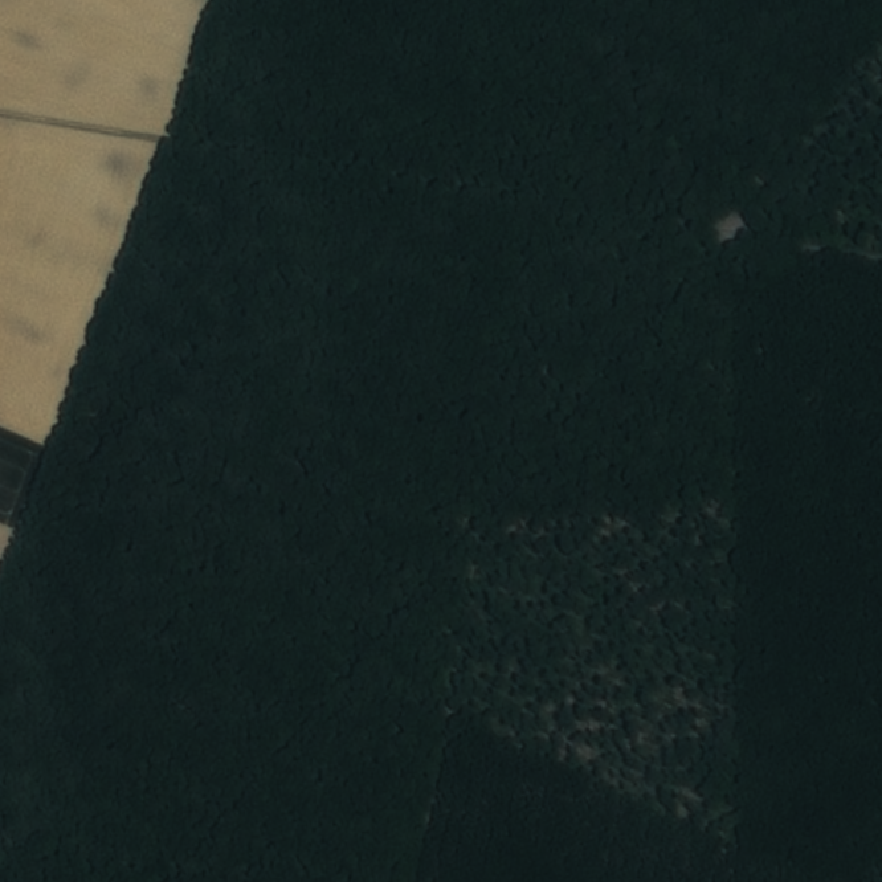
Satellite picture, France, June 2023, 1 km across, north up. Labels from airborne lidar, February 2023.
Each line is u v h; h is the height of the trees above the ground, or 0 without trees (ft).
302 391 106
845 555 64
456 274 93
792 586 64
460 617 99
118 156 0
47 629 99
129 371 104
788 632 62
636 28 104
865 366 70
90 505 98
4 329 0
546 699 107
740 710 76
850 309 62
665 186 98
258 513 104
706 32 96
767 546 70
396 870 86
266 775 93
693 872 58
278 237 99
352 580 88
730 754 102
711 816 100
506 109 97
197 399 103
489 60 98
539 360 101
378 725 98
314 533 109
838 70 99
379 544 102
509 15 101
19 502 0
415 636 103
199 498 108
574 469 100
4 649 90
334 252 102
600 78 101
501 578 106
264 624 105
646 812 57
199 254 103
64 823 93
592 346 100
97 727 102
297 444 109
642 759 102
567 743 93
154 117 0
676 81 102
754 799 70
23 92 0
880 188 101
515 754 61
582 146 104
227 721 95
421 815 86
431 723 85
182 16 0
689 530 104
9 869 96
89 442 105
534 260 104
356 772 100
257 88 102
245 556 105
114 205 0
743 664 44
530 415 94
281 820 87
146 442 113
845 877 66
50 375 0
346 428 107
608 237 108
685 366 97
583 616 105
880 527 64
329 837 99
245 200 103
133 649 104
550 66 96
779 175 97
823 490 71
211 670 92
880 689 64
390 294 107
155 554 107
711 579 108
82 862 102
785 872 57
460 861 54
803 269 70
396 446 97
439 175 88
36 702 101
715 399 106
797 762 65
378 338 96
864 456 65
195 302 101
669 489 103
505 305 101
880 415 68
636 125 107
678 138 97
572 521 106
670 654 96
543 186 96
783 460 65
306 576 100
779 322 68
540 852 49
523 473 89
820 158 104
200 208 103
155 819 97
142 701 87
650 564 107
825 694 69
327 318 96
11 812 93
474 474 102
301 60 83
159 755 94
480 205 95
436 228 99
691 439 101
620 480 99
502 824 50
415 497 101
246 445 96
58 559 100
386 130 97
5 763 101
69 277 0
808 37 95
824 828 66
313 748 93
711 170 96
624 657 103
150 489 107
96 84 0
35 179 0
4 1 0
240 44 92
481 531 98
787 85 100
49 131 0
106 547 105
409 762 99
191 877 91
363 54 91
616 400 98
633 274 98
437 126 91
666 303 99
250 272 105
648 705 106
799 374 75
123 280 77
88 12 0
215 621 101
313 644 93
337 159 94
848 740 55
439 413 100
